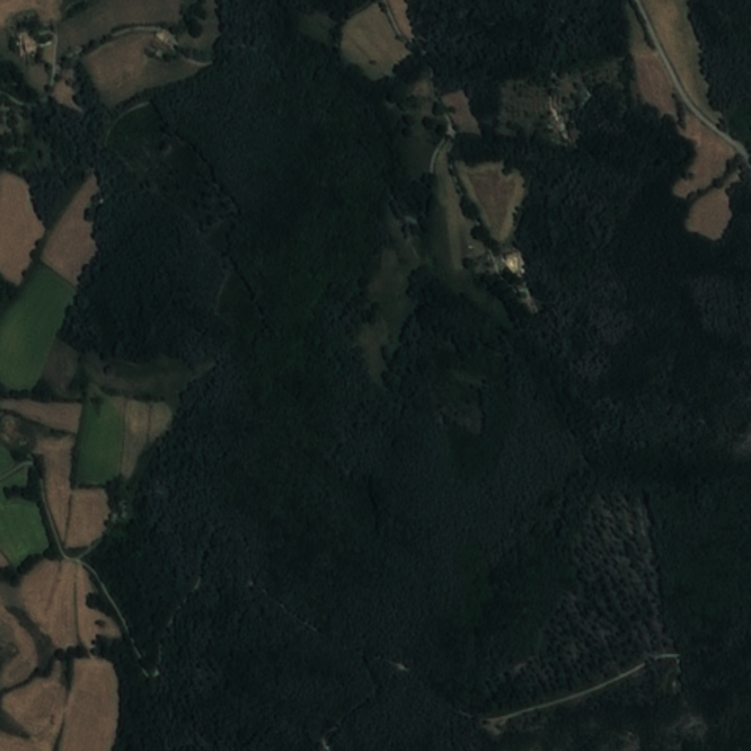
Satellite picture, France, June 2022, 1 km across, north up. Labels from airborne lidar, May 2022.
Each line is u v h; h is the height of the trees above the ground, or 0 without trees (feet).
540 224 28
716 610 63
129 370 0
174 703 46
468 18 28
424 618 56
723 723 35
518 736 27
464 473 34
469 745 57
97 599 33
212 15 0
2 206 0
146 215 43
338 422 66
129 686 47
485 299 0
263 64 60
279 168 60
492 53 76
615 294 32
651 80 0
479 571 40
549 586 53
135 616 41
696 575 67
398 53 0
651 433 61
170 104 68
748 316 68
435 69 51
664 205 47
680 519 55
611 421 38
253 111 58
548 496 43
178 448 41
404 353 72
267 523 57
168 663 36
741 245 52
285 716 49
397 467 71
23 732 0
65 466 0
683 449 25
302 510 66
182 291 62
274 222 60
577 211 26
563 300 55
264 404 70
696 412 51
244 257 56
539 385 67
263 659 63
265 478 69
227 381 47
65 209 0
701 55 41
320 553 54
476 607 43
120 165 50
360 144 42
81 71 45
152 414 0
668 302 54
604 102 43
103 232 48
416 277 63
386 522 71
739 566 67
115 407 0
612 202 50
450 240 0
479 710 57
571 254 46
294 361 43
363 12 0
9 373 0
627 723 17
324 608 62
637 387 51
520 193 0
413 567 62
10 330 0
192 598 35
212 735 47
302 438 79
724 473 54
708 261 57
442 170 0
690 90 0
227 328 54
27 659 0
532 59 46
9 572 33
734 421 24
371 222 52
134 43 0
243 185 52
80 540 0
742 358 53
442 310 57
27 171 36
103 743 0
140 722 26
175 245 36
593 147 46
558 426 38
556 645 55
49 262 0
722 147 0
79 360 19
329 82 60
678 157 33
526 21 61
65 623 0
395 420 72
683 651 41
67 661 31
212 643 66
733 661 41
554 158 39
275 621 39
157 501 43
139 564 21
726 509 63
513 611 69
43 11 0
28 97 49
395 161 58
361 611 68
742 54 65
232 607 41
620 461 37
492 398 55
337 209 58
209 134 60
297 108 63
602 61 42
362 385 63
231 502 55
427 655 60
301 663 51
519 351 89
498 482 61
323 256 52
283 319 51
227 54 56
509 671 58
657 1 0
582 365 41
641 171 47
